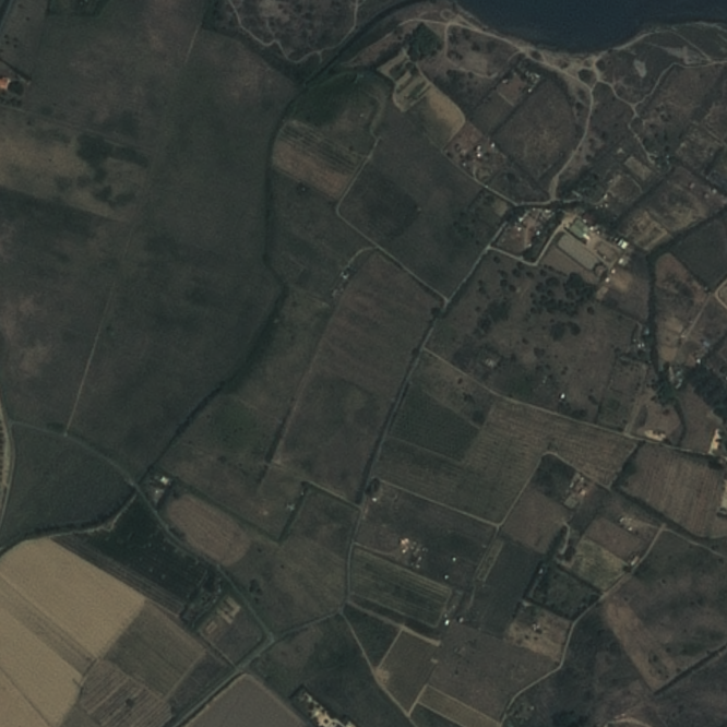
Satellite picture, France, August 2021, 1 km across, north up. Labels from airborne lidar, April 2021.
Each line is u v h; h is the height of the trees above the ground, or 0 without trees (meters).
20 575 0
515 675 0
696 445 0
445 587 0
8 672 0
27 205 0
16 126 0
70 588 0
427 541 0
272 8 0
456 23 0
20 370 0
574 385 0
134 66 0
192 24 0
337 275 0
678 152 0
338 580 0
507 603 0
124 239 0
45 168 0
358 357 0
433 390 0
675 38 0
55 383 0
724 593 0
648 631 0
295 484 0
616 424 0
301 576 0
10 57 0
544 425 0
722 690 0
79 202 0
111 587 0
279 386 0
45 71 0
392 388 0
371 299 0
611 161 0
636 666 0
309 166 0
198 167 0
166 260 0
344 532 0
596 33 0
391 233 0
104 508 0
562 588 0
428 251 0
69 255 0
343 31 0
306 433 0
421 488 0
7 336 0
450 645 0
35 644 0
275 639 0
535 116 0
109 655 0
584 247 0
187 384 0
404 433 0
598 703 0
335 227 0
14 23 0
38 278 0
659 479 0
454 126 0
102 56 0
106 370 0
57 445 0
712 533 0
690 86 0
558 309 8
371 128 0
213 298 0
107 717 0
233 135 0
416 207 6
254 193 0
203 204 0
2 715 0
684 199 0
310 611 0
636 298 0
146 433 0
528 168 0
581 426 0
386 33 0
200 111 0
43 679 0
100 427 0
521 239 0
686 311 0
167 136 0
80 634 0
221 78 0
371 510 0
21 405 0
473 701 0
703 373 9
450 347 0
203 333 0
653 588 0
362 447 0
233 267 0
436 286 0
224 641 0
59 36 0
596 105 0
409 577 0
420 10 0
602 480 0
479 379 0
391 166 0
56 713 0
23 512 0
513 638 0
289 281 0
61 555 0
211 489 0
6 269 0
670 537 0
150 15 0
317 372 0
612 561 0
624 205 0
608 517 0
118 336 0
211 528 0
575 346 0
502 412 0
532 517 0
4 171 0
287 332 0
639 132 0
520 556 0
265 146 0
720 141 0
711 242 0
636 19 0
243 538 0
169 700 0
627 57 0
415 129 0
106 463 0
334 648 0
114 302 0
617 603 0
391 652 0
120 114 0
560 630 0
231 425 0
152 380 0
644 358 11
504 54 0
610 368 0
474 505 0
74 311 0
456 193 0
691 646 0
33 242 0
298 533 0
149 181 0
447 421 0
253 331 0
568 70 0
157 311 0
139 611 0
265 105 0
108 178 0
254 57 0
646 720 0
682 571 0
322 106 0
